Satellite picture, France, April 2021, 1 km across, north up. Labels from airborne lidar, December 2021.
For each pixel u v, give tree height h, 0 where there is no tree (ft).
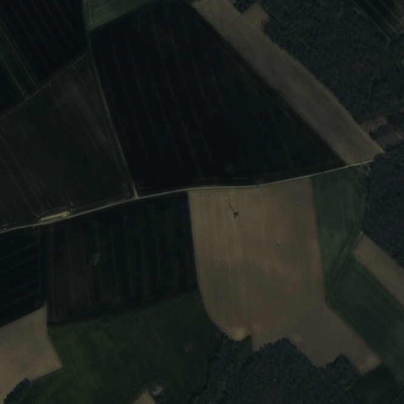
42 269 0
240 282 0
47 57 0
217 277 0
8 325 0
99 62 0
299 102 0
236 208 0
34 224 0
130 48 0
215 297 0
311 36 72
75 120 0
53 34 0
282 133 0
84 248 0
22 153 0
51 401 0
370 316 0
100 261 0
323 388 85
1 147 0
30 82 0
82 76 0
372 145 0
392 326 0
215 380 64
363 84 83
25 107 0
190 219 0
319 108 0
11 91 0
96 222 0
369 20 0
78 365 0
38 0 0
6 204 0
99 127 0
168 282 0
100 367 0
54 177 0
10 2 0
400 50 67
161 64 0
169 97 0
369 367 0
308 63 62
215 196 0
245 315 0
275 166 0
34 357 0
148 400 0
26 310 0
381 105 78
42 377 0
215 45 0
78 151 0
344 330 0
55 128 0
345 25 79
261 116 0
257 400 58
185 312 0
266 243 0
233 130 0
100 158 0
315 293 0
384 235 56
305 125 0
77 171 0
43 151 0
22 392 72
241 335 0
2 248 0
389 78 80
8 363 0
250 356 0
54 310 0
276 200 0
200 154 0
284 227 0
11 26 0
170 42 0
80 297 0
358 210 0
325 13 45
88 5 0
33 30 0
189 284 0
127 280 0
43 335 0
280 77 0
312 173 0
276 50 0
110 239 0
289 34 59
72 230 0
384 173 68
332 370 52
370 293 0
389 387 0
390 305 0
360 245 0
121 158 0
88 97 0
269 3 70
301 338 0
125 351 0
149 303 0
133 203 0
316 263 0
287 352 23
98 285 0
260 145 0
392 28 0
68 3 0
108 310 0
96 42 0
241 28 0
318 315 0
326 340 0
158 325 0
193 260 0
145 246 0
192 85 0
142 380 0
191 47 0
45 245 0
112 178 0
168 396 0
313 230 0
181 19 0
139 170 0
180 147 0
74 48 0
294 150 0
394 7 0
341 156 0
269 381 67
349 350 0
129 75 0
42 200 0
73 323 0
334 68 64
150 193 0
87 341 0
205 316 0
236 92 0
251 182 0
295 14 68
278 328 0
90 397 0
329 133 0
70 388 0
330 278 0
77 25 0
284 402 73
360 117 54
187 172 0
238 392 79
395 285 0
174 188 0
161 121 0
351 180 0
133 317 0
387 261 0
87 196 0
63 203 0
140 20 0
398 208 74
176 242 0
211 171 0
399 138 0
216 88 0
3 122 0
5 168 0
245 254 0
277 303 0
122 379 0
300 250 0
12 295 0
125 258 0
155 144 0
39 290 0
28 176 0
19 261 0
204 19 0
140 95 0
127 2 0
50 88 0
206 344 0
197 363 0
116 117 0
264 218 0
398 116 0
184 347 0
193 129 0
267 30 54
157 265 0
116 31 0
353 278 0
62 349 0
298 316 0
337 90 56
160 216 0
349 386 43
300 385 52
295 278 0
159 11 0
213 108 0
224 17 0
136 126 0
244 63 0
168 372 0
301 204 0
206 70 0
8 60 0
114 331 0
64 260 0
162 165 0
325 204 0
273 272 0
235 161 0
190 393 0
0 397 0
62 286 0
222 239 0
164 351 0
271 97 0
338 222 0
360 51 94
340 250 0
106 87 0
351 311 0
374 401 0
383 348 0
